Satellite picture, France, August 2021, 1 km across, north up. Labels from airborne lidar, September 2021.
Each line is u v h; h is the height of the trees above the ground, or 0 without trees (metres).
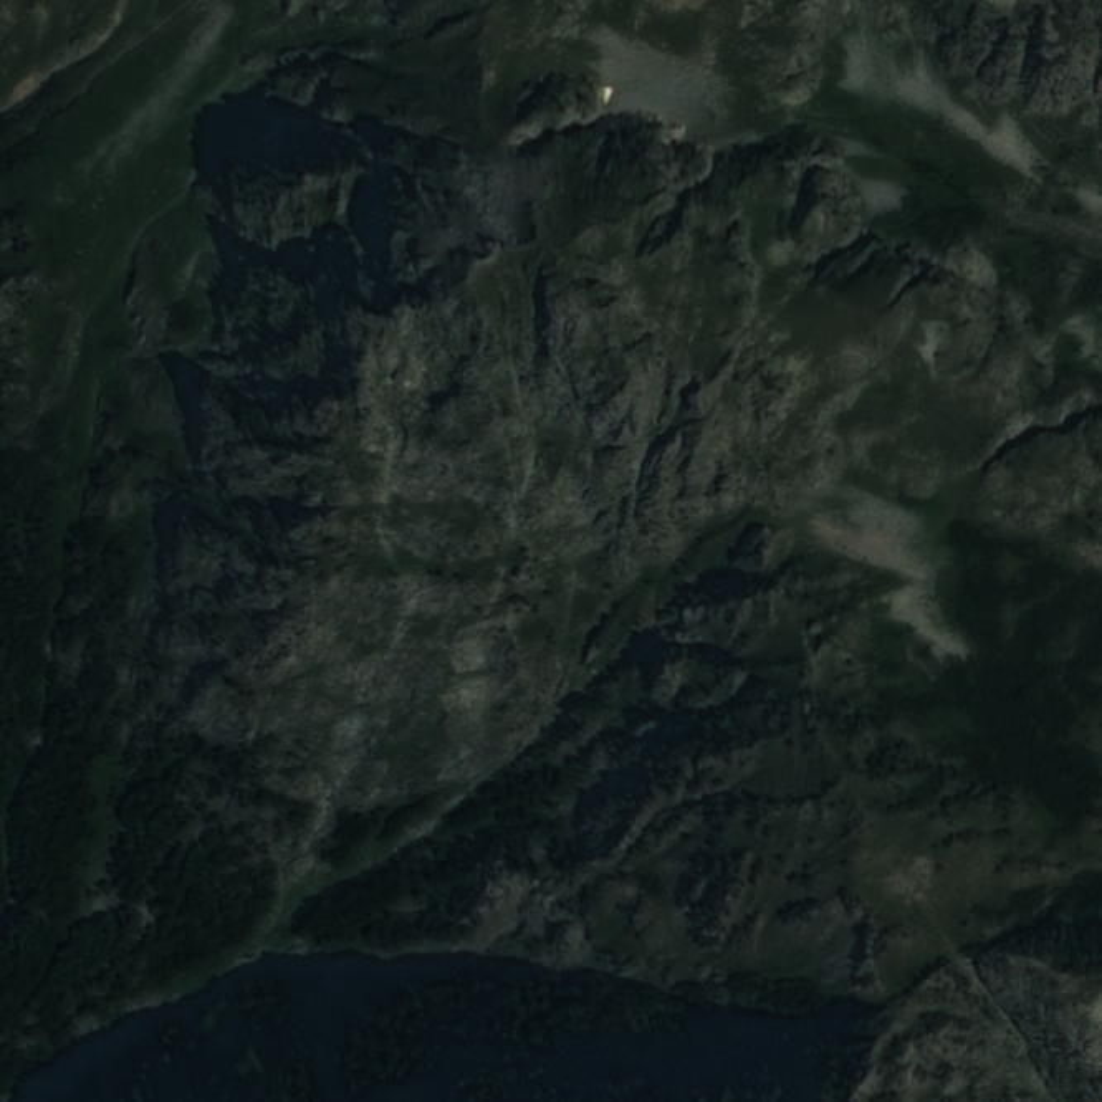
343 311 10
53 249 0
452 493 0
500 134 0
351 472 7
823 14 0
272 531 8
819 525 0
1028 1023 7
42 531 13
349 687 0
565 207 0
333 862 6
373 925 11
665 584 0
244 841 7
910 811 7
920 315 0
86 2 0
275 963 0
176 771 22
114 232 0
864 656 0
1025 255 0
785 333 0
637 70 0
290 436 0
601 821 9
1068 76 10
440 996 8
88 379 0
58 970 23
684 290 0
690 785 12
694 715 20
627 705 0
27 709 14
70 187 0
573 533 0
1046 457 0
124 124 0
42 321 0
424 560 0
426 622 0
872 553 0
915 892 0
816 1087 13
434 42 0
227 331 0
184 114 0
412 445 0
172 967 19
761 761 0
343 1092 9
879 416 0
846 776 0
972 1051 8
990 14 0
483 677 0
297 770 7
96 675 12
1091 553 0
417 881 10
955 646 0
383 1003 8
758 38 0
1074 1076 7
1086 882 6
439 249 0
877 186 0
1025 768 6
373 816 9
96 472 12
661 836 9
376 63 0
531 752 12
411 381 0
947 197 0
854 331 0
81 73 0
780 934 0
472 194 0
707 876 8
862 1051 9
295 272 8
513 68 0
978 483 0
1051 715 6
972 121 0
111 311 0
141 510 0
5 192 0
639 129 6
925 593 0
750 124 0
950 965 8
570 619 0
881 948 6
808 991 7
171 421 0
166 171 0
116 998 14
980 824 0
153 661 11
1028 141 0
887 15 0
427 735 0
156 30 0
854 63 0
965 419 0
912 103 0
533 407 0
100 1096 20
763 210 0
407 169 0
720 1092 9
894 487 0
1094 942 9
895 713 7
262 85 0
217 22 0
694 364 0
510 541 0
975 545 6
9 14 0
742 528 0
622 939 0
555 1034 9
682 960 0
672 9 0
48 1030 8
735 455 0
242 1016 11
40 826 16
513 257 0
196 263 0
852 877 0
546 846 0
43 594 7
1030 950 10
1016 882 0
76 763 13
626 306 7
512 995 8
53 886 15
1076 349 0
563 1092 8
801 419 0
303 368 0
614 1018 8
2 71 0
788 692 0
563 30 0
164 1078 14
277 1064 8
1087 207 0
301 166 10
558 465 0
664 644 8
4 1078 8
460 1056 6
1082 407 7
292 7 0
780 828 0
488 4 0
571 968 0
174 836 19
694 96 0
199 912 20
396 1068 13
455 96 0
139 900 17
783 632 0
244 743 9
